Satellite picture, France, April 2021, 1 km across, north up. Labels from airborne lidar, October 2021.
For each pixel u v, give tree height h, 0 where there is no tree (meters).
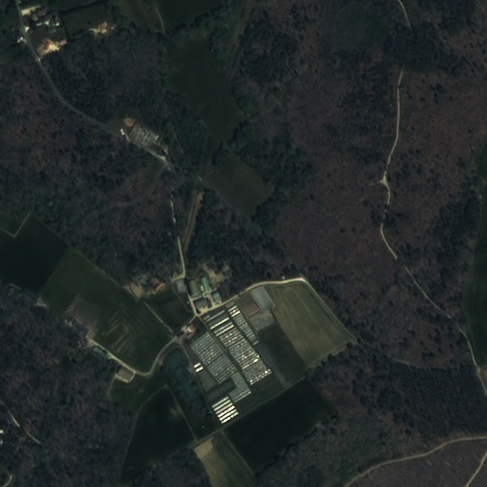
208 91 0
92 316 0
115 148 8
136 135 0
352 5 8
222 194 0
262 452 0
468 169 8
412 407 26
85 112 12
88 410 9
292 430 0
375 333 16
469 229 19
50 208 18
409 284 15
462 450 0
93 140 17
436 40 21
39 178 6
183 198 19
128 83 14
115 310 0
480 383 15
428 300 9
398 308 6
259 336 0
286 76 19
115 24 12
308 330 0
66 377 14
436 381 17
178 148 21
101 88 12
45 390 12
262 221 15
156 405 0
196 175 20
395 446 12
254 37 22
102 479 17
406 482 0
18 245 0
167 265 13
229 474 0
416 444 10
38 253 0
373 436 15
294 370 0
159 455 0
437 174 11
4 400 20
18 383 12
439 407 19
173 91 0
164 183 15
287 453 7
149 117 10
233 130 0
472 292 0
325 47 8
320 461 13
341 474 20
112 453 27
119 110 10
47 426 13
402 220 19
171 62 0
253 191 0
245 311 0
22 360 10
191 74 0
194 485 13
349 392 14
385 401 24
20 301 16
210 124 0
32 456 18
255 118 17
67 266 0
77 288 0
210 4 0
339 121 10
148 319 0
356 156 6
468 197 15
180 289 0
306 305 0
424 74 13
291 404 0
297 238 14
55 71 13
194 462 18
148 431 0
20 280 0
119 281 20
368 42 7
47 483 25
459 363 8
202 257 11
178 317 0
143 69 14
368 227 10
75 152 13
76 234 19
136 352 0
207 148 5
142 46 15
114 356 0
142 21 0
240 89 15
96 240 19
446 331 17
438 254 13
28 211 17
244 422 0
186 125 20
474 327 0
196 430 0
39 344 14
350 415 10
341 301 10
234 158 0
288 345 0
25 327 13
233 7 17
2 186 19
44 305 0
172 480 17
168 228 14
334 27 13
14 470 24
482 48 18
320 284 12
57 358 13
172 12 0
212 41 14
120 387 0
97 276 0
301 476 18
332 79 9
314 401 0
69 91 9
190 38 15
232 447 0
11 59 21
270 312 0
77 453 8
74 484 17
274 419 0
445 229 13
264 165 19
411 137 9
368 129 8
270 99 20
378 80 6
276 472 20
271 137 13
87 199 14
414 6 8
